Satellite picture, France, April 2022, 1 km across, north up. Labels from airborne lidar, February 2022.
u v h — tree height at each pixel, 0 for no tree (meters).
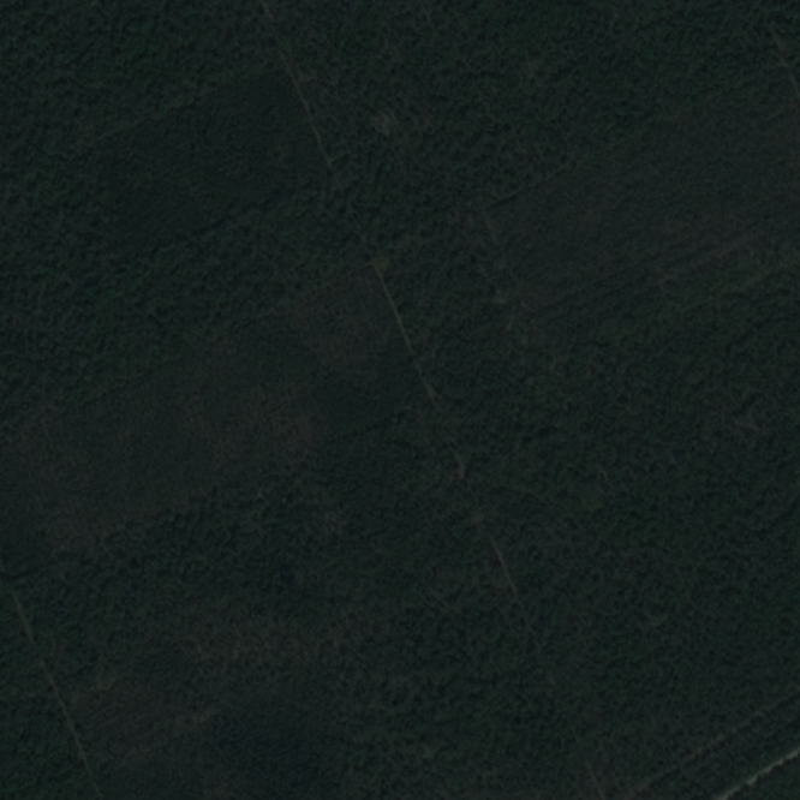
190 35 15
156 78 16
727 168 9
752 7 13
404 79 16
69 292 8
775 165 9
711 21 15
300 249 18
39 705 12
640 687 15
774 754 17
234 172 6
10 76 8
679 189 8
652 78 17
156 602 11
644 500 15
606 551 14
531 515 7
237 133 8
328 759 10
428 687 21
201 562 17
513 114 14
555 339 17
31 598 19
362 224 15
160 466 9
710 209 9
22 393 13
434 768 15
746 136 12
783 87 10
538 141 13
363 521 14
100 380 15
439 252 12
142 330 17
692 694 15
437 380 14
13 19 13
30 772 20
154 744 9
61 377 16
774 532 16
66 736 22
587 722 15
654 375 16
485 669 15
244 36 13
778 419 14
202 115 7
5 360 15
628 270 10
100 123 12
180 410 8
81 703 6
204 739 12
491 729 18
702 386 6
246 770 11
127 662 6
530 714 17
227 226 15
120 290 18
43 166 18
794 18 13
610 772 17
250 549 14
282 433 6
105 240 16
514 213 9
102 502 7
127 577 15
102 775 8
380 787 17
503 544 8
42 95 18
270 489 13
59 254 12
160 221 9
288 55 12
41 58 15
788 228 9
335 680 14
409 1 15
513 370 13
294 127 7
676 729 11
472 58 13
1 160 18
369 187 18
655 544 17
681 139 14
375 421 7
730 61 16
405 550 15
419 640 16
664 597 15
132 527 11
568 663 18
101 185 11
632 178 10
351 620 8
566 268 14
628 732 15
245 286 17
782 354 13
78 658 16
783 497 13
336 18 13
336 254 12
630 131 16
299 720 11
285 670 9
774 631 16
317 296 7
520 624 18
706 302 12
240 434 8
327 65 8
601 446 13
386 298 9
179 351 11
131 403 8
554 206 9
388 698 18
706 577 13
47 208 16
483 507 10
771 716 18
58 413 6
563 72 13
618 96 20
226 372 8
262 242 12
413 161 14
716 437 14
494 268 20
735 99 13
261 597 11
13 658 16
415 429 13
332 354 7
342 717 14
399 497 12
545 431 10
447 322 11
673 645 15
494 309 9
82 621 15
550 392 19
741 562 13
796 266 16
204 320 13
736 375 11
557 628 16
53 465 6
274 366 9
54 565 19
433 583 16
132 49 21
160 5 20
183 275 16
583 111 15
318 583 11
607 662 18
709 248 10
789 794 15
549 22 14
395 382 9
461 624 8
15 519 9
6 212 16
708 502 17
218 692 11
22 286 10
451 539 15
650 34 18
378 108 15
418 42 13
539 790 19
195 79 15
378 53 16
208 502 12
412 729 21
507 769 16
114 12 20
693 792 10
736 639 16
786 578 16
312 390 7
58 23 16
